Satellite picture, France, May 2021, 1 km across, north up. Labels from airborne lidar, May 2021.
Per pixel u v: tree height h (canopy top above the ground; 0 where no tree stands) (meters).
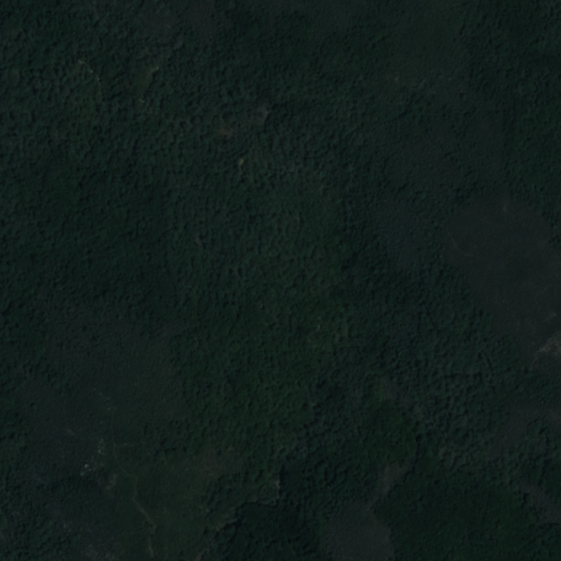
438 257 6
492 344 15
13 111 20
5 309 6
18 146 15
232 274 20
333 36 9
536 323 0
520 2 18
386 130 8
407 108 9
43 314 10
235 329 19
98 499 5
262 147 17
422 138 6
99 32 17
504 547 16
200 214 20
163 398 6
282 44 9
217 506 19
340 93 16
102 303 8
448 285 15
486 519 20
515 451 10
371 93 8
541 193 16
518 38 16
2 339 23
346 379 13
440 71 8
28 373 14
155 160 15
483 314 15
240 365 19
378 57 15
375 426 18
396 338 7
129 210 12
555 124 15
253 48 16
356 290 14
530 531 20
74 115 13
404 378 11
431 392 13
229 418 9
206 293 19
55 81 16
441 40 6
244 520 24
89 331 11
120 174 11
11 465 10
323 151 12
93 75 15
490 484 24
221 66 19
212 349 19
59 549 8
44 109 19
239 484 19
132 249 19
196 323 8
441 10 6
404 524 17
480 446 15
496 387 15
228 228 27
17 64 20
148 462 7
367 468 11
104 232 22
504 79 15
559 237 8
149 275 20
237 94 16
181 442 7
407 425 19
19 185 13
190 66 11
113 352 6
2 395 13
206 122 23
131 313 13
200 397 12
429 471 25
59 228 19
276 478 5
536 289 0
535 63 17
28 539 12
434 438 20
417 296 6
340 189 7
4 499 7
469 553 15
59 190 19
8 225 21
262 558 16
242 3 6
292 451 11
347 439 17
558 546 19
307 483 17
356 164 9
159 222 15
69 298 6
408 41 6
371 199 6
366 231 9
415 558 15
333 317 11
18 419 10
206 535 13
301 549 20
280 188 14
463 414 20
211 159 17
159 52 14
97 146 20
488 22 16
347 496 8
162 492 6
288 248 22
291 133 11
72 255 18
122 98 9
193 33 11
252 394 14
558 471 28
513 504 22
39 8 11
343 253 26
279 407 19
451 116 6
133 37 15
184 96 20
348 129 18
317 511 16
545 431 17
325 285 18
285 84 15
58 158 12
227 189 16
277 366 23
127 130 19
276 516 17
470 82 7
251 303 12
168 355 5
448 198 7
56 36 13
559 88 10
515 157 14
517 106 11
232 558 26
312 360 13
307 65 13
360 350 16
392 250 9
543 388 14
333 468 15
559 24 19
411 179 6
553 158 14
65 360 6
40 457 7
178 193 22
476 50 16
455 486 23
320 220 15
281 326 16
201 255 19
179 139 19
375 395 23
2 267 23
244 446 9
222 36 10
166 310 18
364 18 8
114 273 18
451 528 11
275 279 19
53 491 14
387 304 17
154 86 15
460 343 16
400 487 17
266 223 22
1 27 17
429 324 14
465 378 16
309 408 20
